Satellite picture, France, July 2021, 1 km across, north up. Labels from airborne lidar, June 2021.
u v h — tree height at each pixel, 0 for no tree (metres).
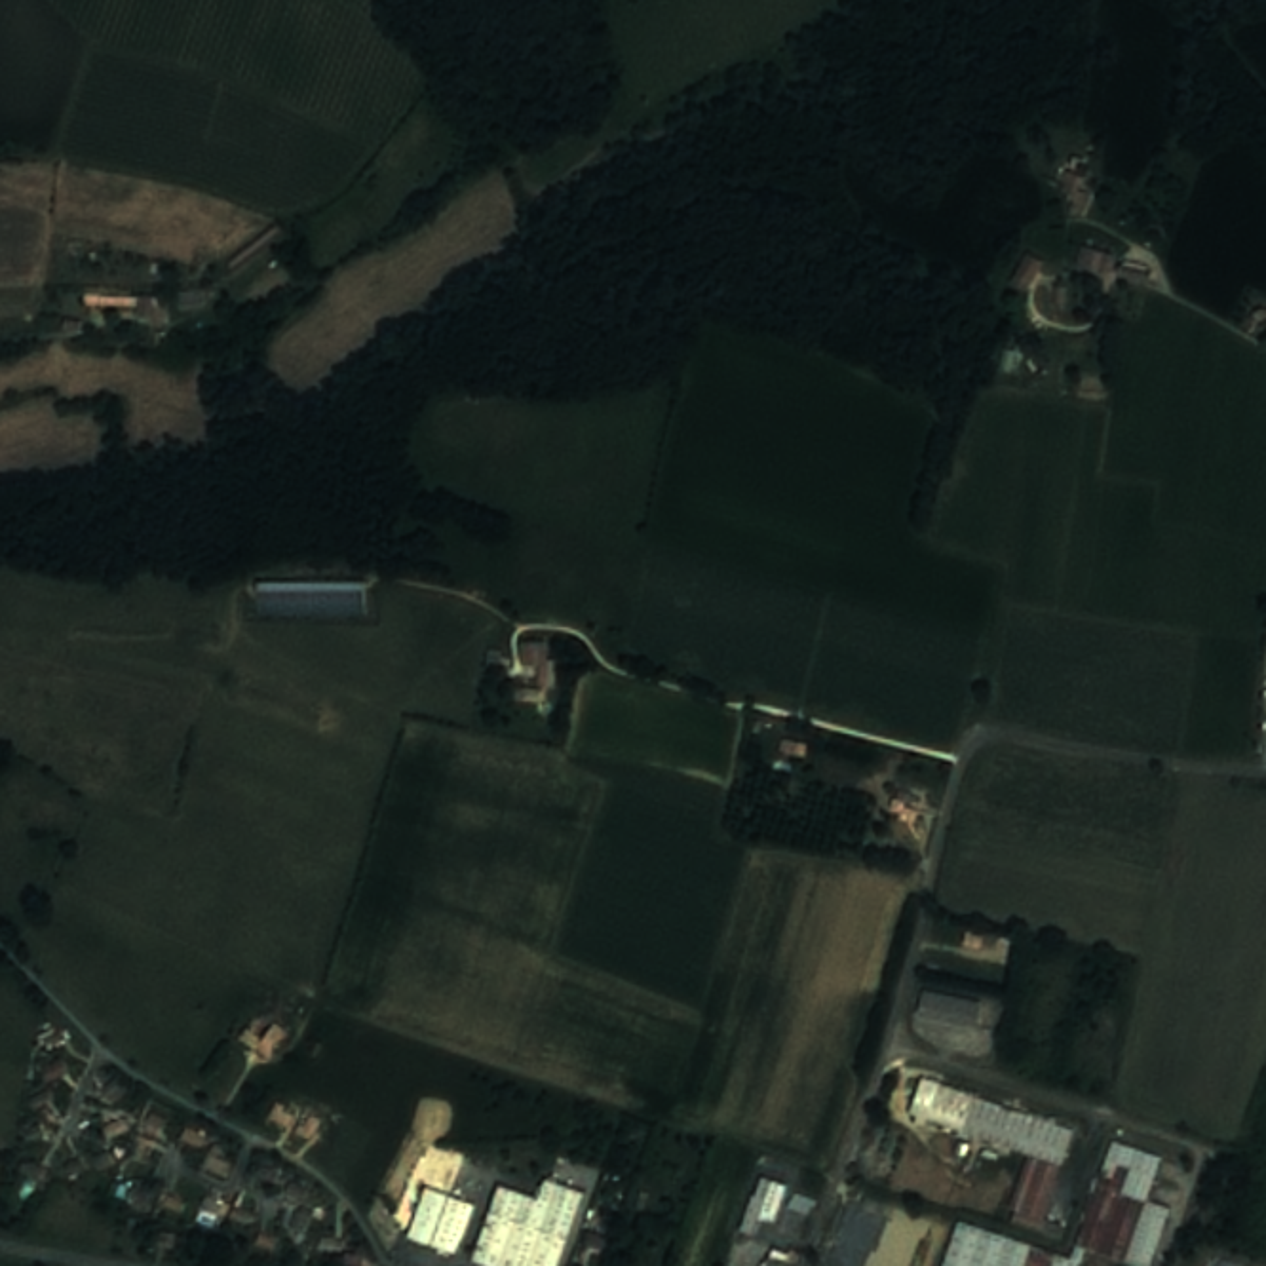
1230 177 0
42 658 0
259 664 0
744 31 0
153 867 0
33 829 0
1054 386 0
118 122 0
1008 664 0
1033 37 26
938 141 20
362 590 0
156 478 21
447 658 0
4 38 0
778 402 0
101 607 0
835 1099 0
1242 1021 0
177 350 10
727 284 22
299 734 0
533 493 0
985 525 0
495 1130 0
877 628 0
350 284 0
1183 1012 0
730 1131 0
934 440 12
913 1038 0
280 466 21
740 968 0
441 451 0
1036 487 0
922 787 0
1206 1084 0
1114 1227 0
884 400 0
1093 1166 0
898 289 22
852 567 0
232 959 0
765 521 0
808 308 23
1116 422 0
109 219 0
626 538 0
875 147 22
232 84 0
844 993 0
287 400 28
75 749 0
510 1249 0
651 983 0
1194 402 0
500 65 20
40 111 0
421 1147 0
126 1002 0
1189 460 0
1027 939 13
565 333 18
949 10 11
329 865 0
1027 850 0
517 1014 0
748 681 0
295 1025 0
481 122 10
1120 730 0
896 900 0
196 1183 0
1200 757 0
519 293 26
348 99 0
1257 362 0
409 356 25
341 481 24
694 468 0
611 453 0
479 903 0
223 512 25
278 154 0
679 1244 7
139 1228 11
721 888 0
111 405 14
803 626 0
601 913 0
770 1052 0
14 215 0
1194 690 0
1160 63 0
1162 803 0
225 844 0
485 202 0
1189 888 0
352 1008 0
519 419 0
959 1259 0
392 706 0
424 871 0
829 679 0
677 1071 0
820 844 10
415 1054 0
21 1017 0
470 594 0
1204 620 0
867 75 23
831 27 18
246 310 13
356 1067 0
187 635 0
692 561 0
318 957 0
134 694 0
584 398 13
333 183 0
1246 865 0
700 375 0
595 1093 0
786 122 14
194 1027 0
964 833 0
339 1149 0
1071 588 0
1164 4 10
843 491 0
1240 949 0
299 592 0
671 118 12
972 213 0
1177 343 0
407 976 0
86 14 0
